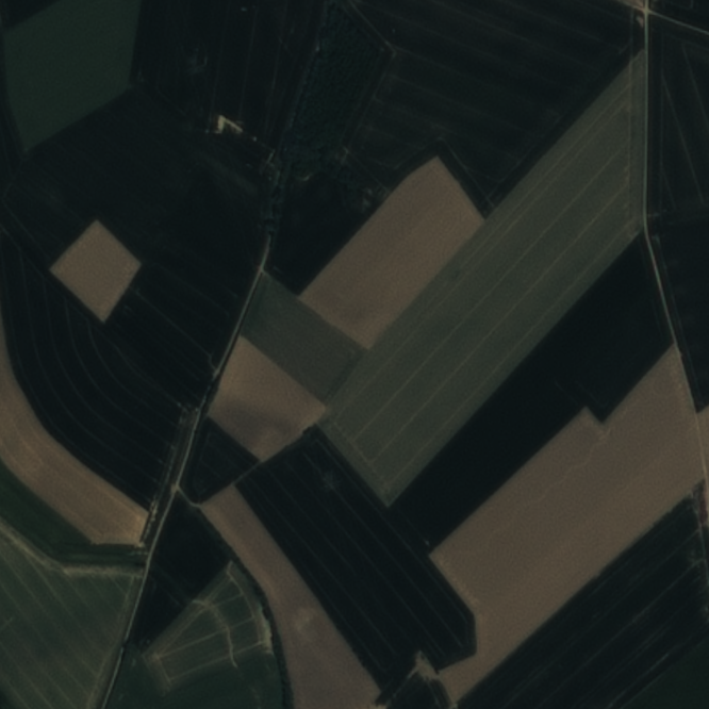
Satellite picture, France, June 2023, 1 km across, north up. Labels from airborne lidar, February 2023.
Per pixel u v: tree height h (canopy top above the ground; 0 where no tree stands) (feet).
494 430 0
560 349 0
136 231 0
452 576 0
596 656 0
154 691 0
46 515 0
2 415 0
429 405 0
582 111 0
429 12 0
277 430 0
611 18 0
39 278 0
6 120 0
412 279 0
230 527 0
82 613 0
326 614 0
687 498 0
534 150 0
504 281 0
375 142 0
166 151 0
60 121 0
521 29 0
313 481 0
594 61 0
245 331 0
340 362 0
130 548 0
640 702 0
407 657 0
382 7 0
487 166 0
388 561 0
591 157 0
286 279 0
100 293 0
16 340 0
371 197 0
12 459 0
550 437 0
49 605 0
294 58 0
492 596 0
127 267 0
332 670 0
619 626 0
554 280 0
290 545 0
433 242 0
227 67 0
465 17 0
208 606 0
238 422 0
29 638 0
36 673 0
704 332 0
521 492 0
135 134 0
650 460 0
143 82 0
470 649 0
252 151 0
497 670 0
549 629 0
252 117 0
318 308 0
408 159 0
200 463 0
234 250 0
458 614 0
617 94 0
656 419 0
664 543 0
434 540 0
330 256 0
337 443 0
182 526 0
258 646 0
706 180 0
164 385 0
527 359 0
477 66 0
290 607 0
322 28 0
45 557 0
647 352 0
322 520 0
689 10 0
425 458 0
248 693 0
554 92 0
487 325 0
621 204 0
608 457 0
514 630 0
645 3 0
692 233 0
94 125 0
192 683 0
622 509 0
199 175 0
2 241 0
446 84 0
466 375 0
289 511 0
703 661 0
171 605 0
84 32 0
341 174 54
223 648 0
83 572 0
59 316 0
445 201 0
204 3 0
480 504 0
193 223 0
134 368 0
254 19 0
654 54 0
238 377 0
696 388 0
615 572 0
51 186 0
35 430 0
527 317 0
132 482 0
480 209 0
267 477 0
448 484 0
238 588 0
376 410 0
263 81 0
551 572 0
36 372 0
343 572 0
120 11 0
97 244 0
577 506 0
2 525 0
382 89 0
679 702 0
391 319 0
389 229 0
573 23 0
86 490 0
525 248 0
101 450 0
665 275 0
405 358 0
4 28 0
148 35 0
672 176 0
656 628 0
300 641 0
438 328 0
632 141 0
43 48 0
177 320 0
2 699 0
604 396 0
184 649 0
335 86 41
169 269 0
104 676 0
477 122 0
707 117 0
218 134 0
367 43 38
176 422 0
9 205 0
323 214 0
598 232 0
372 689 0
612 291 0
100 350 0
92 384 0
